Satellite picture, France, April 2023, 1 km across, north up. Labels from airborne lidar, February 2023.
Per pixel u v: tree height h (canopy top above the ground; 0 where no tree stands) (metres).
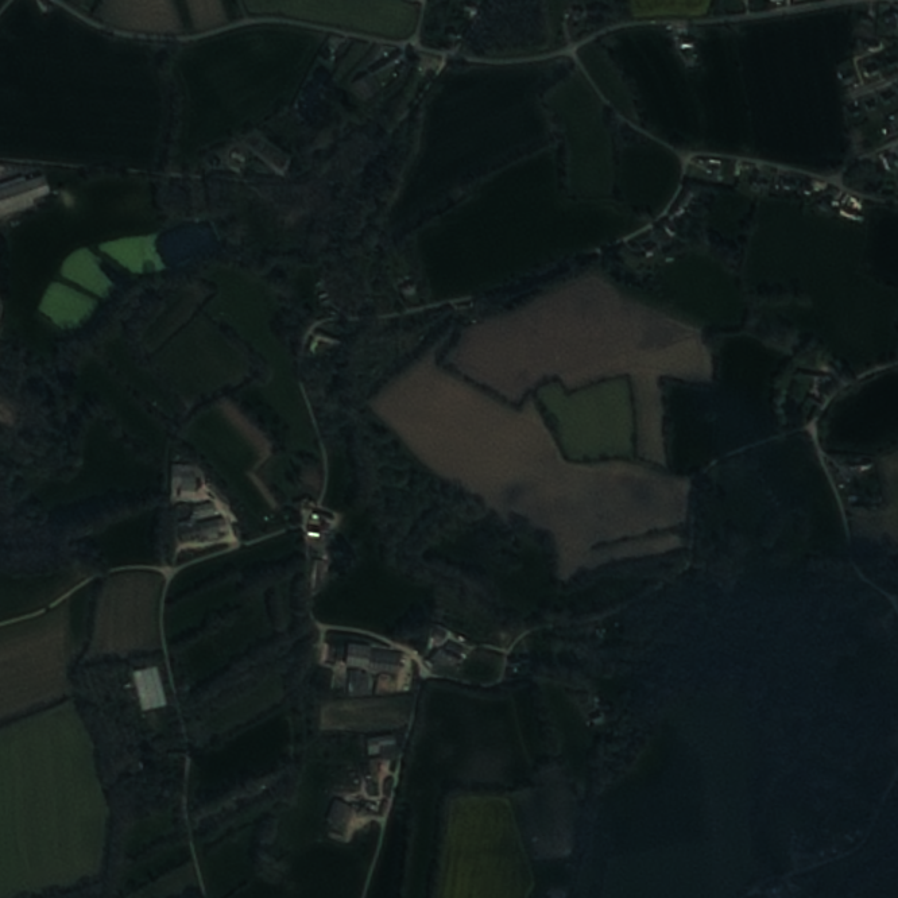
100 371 0
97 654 0
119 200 0
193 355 0
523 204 0
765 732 22
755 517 0
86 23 0
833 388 22
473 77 0
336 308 6
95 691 10
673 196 0
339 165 21
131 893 13
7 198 0
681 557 12
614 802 0
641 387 0
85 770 0
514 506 0
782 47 0
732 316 0
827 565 12
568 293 0
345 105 19
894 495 0
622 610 8
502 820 0
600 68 0
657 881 0
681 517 0
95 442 0
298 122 11
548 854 0
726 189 6
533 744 0
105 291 0
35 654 0
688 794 0
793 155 0
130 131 0
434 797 0
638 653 11
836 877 0
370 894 0
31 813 0
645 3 0
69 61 0
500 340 0
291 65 0
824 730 16
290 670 13
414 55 17
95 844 0
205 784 0
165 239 0
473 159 0
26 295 0
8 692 0
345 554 24
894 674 0
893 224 0
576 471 0
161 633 0
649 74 0
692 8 0
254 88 0
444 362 12
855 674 0
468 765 0
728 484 0
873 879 10
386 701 0
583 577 13
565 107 0
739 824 0
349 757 0
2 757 0
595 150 0
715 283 0
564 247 0
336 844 0
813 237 0
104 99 0
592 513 0
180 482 0
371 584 0
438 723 0
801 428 9
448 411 0
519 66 0
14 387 19
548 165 0
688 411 0
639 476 0
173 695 8
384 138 18
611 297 0
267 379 15
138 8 0
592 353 0
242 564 0
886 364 11
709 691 6
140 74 0
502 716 0
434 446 0
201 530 0
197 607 0
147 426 0
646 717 14
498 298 14
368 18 0
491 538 9
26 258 0
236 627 0
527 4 19
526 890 0
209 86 0
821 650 24
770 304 15
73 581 0
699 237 19
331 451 22
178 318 0
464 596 26
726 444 0
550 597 0
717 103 0
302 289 0
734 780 0
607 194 0
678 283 0
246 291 0
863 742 14
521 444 0
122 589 0
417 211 0
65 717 0
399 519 10
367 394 7
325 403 33
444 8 8
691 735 0
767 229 0
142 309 23
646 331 0
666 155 0
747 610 17
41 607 0
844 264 0
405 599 0
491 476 0
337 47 0
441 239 0
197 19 0
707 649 8
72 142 0
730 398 0
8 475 19
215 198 19
